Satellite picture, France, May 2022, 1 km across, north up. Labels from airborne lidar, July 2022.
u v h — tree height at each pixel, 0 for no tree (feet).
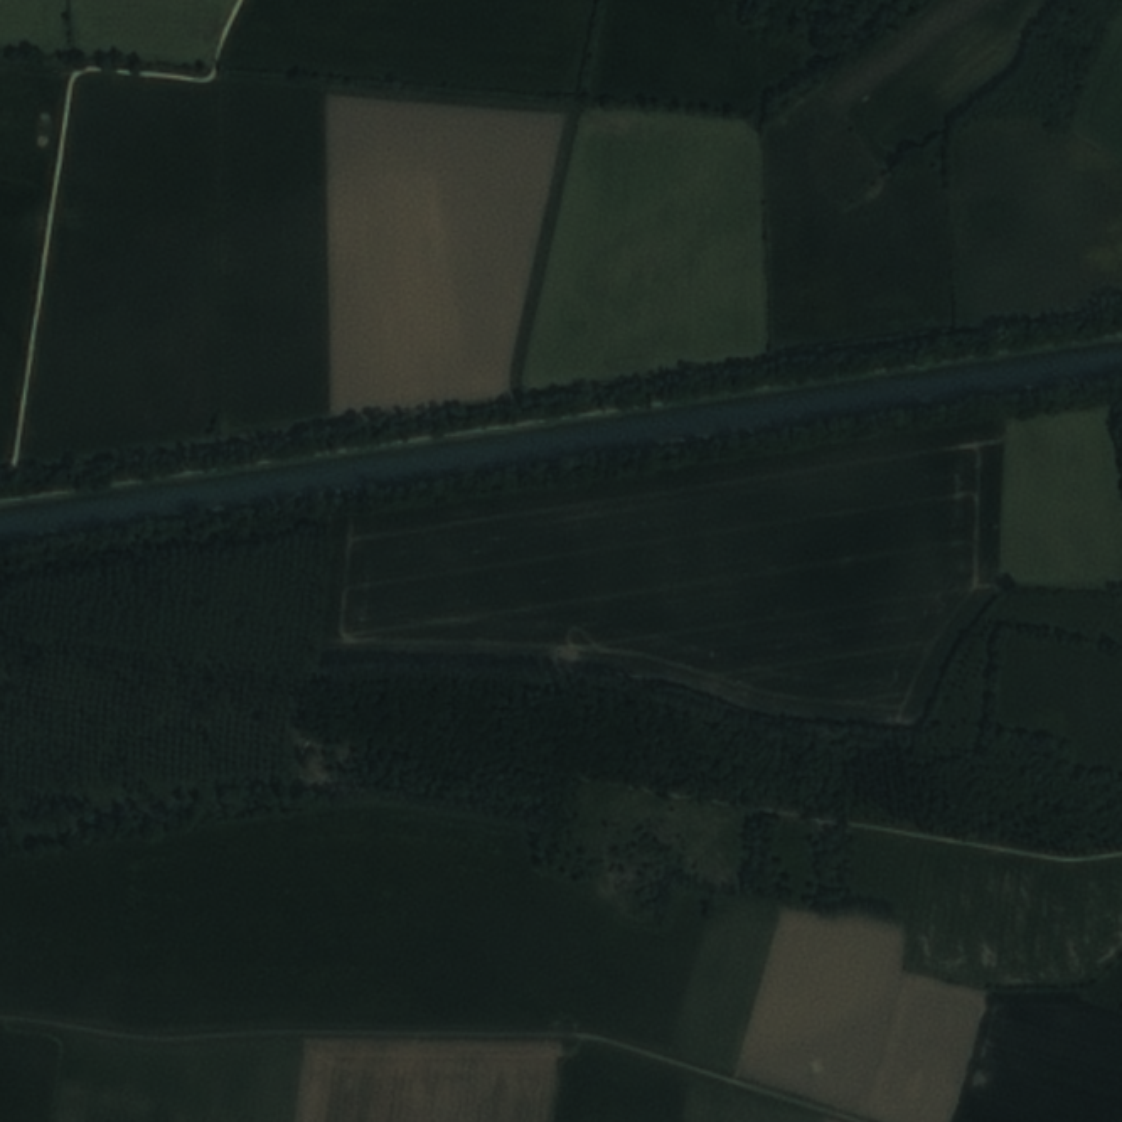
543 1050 0
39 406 0
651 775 33
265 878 0
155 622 101
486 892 0
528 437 0
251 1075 0
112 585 102
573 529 0
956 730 44
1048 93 59
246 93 0
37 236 0
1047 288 0
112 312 0
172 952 0
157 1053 0
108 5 0
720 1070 0
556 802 60
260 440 49
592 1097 0
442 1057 0
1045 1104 0
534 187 0
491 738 66
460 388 0
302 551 95
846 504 0
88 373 0
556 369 0
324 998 0
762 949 0
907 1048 0
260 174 0
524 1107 0
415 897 0
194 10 0
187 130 0
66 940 0
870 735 75
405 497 71
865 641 0
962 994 0
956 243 0
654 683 21
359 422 63
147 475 62
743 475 0
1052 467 0
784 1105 0
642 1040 0
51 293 0
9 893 0
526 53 0
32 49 50
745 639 0
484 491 47
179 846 0
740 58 0
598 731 78
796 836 0
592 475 50
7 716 79
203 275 0
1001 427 0
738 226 0
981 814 44
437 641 0
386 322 0
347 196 0
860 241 0
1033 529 0
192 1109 0
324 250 0
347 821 0
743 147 0
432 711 82
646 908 31
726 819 0
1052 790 34
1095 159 0
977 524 0
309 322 0
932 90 0
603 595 0
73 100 0
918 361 79
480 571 0
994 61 0
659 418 0
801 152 0
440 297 0
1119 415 61
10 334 0
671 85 0
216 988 0
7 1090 0
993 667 44
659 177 0
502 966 0
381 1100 0
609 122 0
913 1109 0
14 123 0
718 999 0
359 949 0
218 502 0
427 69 0
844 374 58
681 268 0
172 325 0
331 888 0
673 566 0
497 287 0
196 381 0
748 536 0
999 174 0
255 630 97
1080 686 0
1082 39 64
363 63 0
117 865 0
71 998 0
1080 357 0
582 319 0
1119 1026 0
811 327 0
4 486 43
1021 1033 0
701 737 44
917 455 0
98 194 0
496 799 62
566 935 0
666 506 0
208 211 0
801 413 0
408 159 0
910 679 0
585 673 75
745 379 65
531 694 70
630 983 0
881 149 0
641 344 0
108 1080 0
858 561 0
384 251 0
